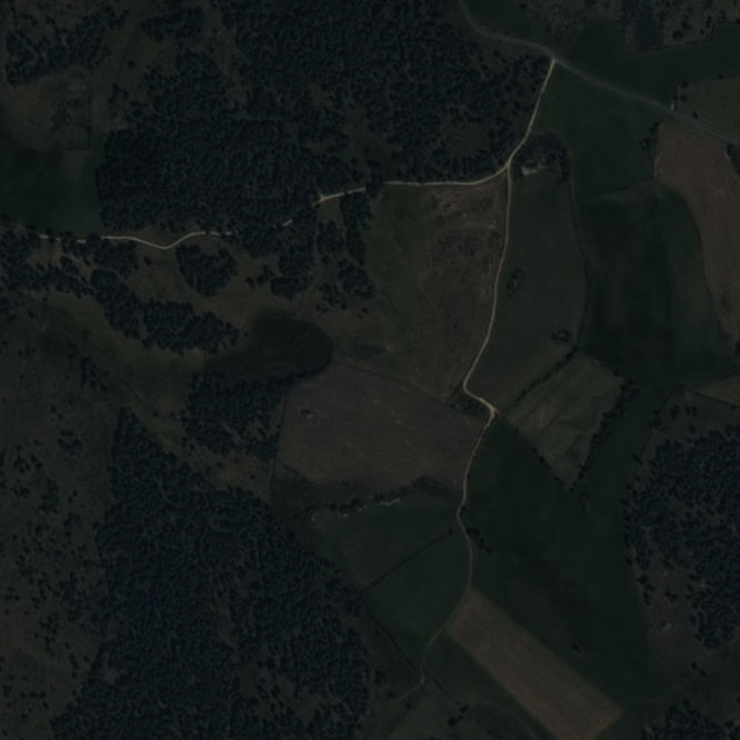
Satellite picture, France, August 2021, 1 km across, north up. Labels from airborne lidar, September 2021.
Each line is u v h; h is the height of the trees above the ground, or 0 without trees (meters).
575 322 0
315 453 0
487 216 0
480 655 0
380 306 0
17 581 0
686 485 17
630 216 0
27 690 0
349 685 13
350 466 0
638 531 17
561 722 0
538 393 0
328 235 16
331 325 0
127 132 8
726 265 0
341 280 7
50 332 0
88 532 0
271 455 14
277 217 15
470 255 0
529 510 0
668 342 0
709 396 0
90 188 0
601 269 0
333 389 0
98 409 0
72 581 7
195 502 17
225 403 15
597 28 0
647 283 0
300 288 13
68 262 14
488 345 0
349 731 14
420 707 0
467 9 0
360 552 0
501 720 0
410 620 0
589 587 0
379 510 0
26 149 0
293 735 18
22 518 0
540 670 0
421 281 0
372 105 16
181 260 18
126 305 18
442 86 8
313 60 16
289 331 0
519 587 0
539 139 0
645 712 0
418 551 0
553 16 0
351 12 15
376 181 13
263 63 14
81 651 0
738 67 0
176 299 0
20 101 0
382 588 0
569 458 0
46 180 0
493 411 0
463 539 0
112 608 10
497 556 0
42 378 0
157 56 0
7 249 16
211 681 18
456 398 0
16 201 0
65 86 0
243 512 19
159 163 9
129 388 0
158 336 20
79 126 0
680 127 0
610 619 0
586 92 0
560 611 0
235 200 21
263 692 14
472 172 12
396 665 0
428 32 11
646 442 0
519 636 0
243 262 0
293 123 8
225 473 0
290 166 16
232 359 0
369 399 0
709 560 13
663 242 0
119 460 15
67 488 0
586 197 0
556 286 0
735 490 15
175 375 0
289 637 14
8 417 0
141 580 10
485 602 0
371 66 16
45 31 0
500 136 13
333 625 17
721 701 0
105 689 15
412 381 0
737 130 0
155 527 19
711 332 0
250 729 17
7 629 0
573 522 0
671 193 0
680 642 0
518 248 0
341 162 12
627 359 0
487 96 16
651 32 0
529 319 0
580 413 0
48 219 0
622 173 0
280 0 16
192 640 15
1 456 7
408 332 0
